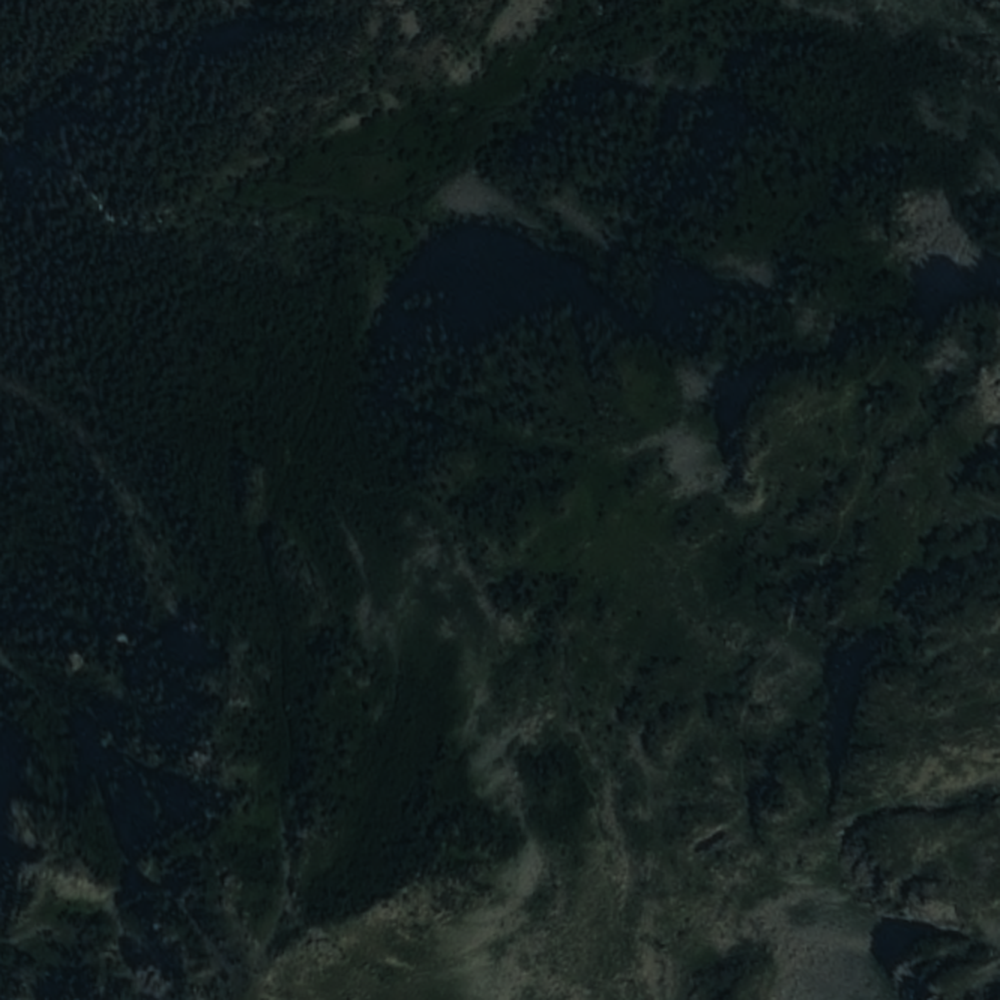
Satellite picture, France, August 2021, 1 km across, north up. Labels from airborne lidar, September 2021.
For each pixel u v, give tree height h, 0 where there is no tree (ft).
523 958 0
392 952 0
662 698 0
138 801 26
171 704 28
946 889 0
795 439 0
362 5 26
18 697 22
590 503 0
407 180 23
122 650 32
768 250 0
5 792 25
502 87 0
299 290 24
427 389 40
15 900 26
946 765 0
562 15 29
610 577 0
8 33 47
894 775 0
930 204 0
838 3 0
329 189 0
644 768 0
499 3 41
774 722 0
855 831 17
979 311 23
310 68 37
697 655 0
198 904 25
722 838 0
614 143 26
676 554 0
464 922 0
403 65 20
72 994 26
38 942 0
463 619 0
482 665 0
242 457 34
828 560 0
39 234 26
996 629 0
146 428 22
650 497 0
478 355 47
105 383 30
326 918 28
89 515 29
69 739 20
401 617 0
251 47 31
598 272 41
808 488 0
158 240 38
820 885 0
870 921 0
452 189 0
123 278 39
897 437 0
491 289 22
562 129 21
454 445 30
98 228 22
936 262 0
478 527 0
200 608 27
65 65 87
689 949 0
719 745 0
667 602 0
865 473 0
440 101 41
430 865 20
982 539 0
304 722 22
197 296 26
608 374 32
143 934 0
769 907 0
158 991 0
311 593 29
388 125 0
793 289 22
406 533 0
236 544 25
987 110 0
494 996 0
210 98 74
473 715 0
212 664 30
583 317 43
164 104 50
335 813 33
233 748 22
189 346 32
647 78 0
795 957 0
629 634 0
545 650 23
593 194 50
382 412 25
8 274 36
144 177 34
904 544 0
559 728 0
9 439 75
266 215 44
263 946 0
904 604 31
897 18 0
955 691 0
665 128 28
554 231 23
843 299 0
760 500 0
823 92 25
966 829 0
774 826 0
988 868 0
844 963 0
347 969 0
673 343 28
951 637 0
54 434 28
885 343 42
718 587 0
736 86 44
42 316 80
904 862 0
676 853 0
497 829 29
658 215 21
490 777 0
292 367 26
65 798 21
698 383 0
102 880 37
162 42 88
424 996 0
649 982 0
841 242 0
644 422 0
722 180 23
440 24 40
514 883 0
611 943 0
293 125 53
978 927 0
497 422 23
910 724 0
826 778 0
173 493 28
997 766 0
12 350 69
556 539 0
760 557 27
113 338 26
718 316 49
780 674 0
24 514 25
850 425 0
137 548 26
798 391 0
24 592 25
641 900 0
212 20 33
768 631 0
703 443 0
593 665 0
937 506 0
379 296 0
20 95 40
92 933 24
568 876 0
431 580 0
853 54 28
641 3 37
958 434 0
